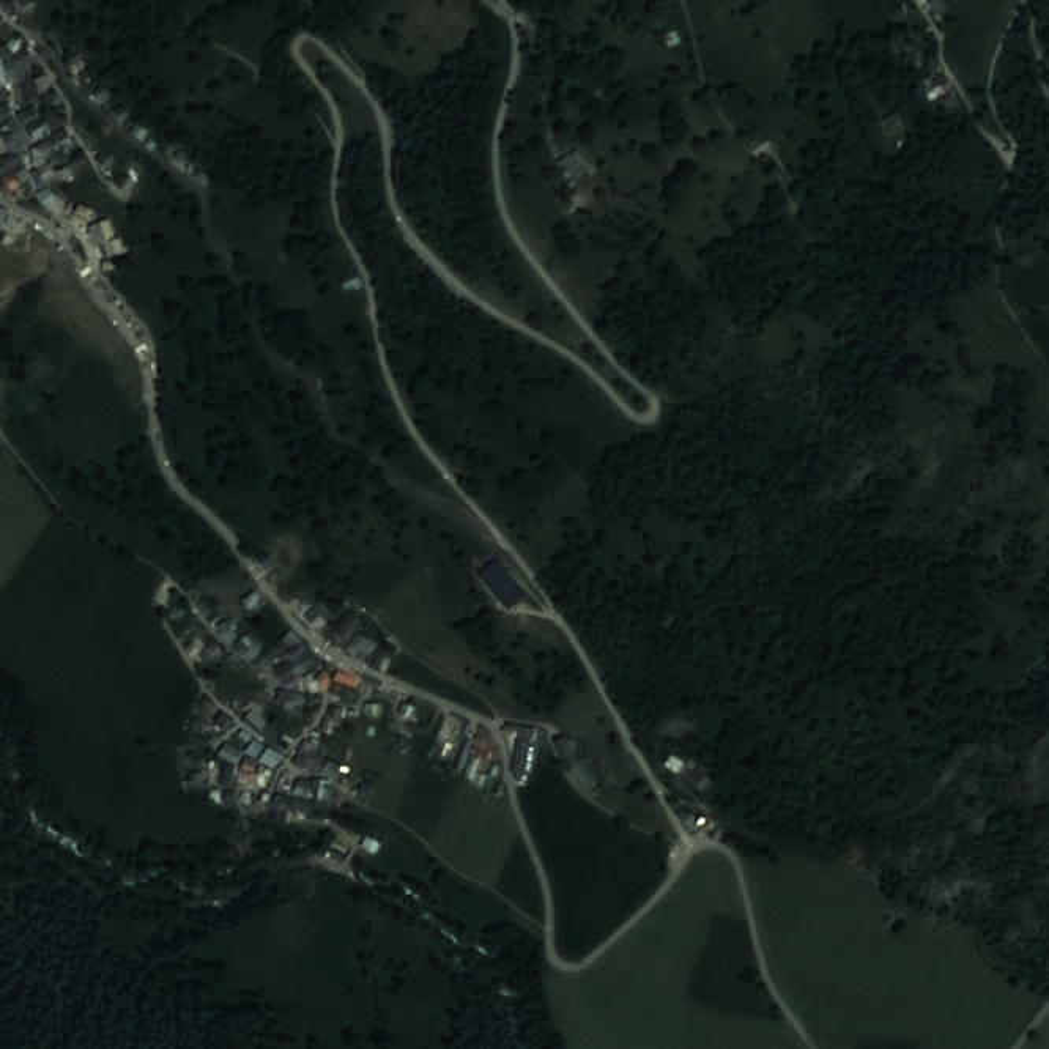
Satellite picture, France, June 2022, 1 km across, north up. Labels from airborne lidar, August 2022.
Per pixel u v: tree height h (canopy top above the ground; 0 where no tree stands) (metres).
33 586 0
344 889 9
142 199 0
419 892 29
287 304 0
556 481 0
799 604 20
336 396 17
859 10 0
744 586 17
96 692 0
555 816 0
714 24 0
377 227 10
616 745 11
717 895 0
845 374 12
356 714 0
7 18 0
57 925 31
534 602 0
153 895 7
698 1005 0
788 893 0
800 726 13
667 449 14
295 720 0
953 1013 0
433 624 0
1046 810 9
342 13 22
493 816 0
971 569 12
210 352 18
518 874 0
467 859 0
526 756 0
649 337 8
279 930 0
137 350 0
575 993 0
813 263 8
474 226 18
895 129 0
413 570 0
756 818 13
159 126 7
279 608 0
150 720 0
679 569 13
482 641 16
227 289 18
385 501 14
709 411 7
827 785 16
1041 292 0
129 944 0
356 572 12
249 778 0
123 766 0
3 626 0
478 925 0
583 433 0
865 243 17
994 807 18
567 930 0
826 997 0
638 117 0
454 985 20
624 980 0
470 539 0
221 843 11
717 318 0
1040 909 13
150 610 0
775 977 0
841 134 14
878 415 12
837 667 10
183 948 33
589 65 20
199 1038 34
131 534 0
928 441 0
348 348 0
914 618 25
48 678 0
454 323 17
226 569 10
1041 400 0
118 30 19
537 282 0
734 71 0
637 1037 0
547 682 18
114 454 0
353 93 0
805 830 22
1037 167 12
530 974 8
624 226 15
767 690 12
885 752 9
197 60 17
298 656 0
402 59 0
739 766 18
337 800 0
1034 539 10
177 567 0
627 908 0
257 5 17
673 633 16
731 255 17
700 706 19
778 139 0
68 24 18
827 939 0
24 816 26
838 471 7
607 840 0
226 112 8
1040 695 17
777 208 22
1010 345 0
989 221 8
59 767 0
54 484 0
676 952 0
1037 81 14
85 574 0
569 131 13
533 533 0
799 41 0
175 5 17
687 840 0
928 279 20
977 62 0
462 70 19
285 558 0
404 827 0
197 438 0
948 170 9
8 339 28
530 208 0
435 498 0
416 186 20
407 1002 0
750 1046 0
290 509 12
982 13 0
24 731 14
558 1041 23
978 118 14
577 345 0
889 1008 0
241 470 22
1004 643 13
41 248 0
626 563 16
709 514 12
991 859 12
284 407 20
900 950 0
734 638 19
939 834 9
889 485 20
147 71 0
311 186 21
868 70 20
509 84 0
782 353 0
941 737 19
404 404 0
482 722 0
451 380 19
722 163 0
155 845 17
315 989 0
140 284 0
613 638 16
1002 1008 0
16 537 0
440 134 11
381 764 0
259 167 26
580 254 16
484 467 17
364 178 16
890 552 12
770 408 6
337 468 18
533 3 13
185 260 0
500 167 0
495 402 12
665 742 10
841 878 0
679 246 0
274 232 0
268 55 10
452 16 0
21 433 0
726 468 14
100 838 8
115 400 0
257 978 0
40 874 24
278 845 12
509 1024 22
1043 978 12
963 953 0
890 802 11
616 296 15
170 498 20
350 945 0
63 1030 16
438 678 0
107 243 0
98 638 0
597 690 0
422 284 16
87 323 0
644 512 14
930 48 7
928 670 17
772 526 25
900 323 18
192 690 0
